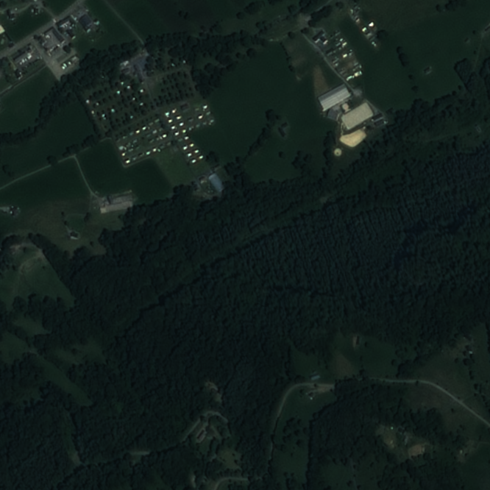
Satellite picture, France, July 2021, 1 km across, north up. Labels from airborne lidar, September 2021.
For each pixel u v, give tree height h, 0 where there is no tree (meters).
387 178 7
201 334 9
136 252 24
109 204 0
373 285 19
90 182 0
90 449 25
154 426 25
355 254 16
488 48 0
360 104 0
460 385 0
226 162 0
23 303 18
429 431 22
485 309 15
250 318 20
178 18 0
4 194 0
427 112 18
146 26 0
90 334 7
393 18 0
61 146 0
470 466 0
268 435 20
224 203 34
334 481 0
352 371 0
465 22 0
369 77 0
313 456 16
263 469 19
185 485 27
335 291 20
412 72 0
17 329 15
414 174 29
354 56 0
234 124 0
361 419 20
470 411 0
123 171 0
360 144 0
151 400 26
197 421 16
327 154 21
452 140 5
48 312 19
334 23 0
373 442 19
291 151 0
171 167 0
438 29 0
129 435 10
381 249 21
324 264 27
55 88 13
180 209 34
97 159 0
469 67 20
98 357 0
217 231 23
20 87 0
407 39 0
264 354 21
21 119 0
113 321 21
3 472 28
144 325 22
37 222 0
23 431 26
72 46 12
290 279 25
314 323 13
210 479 14
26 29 0
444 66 0
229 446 12
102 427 20
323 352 13
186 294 22
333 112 0
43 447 25
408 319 19
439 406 0
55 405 26
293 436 16
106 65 21
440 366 0
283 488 18
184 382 22
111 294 31
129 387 5
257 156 0
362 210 15
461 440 20
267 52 0
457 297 21
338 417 27
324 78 0
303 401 0
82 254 26
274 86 0
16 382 32
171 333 23
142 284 34
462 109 21
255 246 24
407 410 11
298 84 0
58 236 0
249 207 25
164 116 0
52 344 11
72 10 0
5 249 15
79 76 29
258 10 19
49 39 0
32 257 0
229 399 19
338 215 26
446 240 20
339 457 16
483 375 0
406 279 6
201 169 0
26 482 30
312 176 8
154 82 0
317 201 10
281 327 23
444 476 13
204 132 0
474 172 24
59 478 25
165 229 25
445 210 23
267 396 18
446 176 13
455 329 10
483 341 0
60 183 0
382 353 0
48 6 9
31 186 0
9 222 0
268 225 19
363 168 12
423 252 15
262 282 23
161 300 5
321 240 23
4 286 0
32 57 0
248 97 0
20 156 0
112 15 0
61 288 0
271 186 8
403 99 0
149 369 29
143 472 18
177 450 25
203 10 0
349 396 15
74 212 0
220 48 21
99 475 25
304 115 0
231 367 23
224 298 23
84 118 0
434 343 9
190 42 22
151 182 0
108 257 18
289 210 6
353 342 0
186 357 22
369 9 0
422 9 0
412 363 20
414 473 24
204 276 11
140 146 0
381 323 20
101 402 27
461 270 17
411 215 17
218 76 9
